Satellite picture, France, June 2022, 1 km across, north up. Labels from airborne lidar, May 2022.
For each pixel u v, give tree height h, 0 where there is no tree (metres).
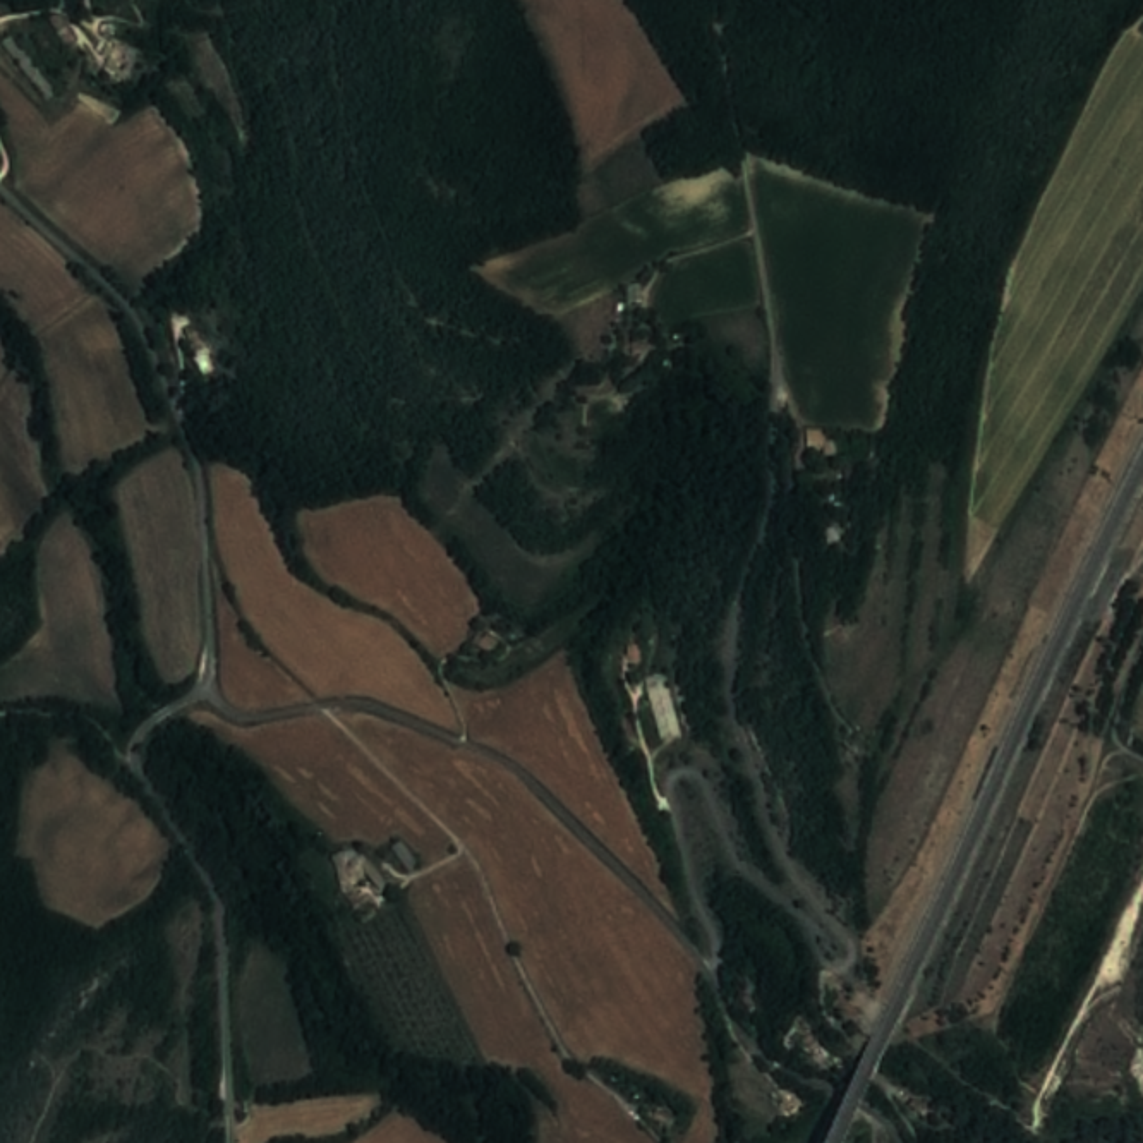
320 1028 17
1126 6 9
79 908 0
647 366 8
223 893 11
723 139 12
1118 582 0
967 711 0
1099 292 0
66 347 0
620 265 0
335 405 7
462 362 10
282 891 22
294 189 7
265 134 11
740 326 0
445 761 0
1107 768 0
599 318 0
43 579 0
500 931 0
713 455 16
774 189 0
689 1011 0
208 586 0
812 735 11
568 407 6
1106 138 0
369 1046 16
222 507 0
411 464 11
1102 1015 0
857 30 17
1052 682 0
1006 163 11
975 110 9
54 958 8
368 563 0
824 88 12
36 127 0
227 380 12
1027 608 0
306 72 6
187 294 8
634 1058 0
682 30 14
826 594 9
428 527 13
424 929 0
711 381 18
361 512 0
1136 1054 0
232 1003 7
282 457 18
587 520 10
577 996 0
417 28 10
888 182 18
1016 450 0
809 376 0
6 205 9
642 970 0
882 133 13
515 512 8
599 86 0
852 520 8
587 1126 0
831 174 13
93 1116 6
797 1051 7
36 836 0
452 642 0
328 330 10
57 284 0
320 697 0
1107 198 0
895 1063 10
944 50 15
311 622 0
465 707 0
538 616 7
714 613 11
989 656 0
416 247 10
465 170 13
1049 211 0
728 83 13
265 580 0
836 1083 16
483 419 13
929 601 0
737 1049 9
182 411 12
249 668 0
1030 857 0
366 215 8
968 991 0
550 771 0
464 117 10
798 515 17
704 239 0
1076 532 0
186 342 10
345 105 6
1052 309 0
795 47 17
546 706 0
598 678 8
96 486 8
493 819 0
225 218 11
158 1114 9
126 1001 6
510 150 9
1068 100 10
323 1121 0
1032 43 11
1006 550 0
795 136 7
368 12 12
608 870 0
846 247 0
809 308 0
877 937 0
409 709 0
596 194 0
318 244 5
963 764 0
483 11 9
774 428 12
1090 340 0
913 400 10
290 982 10
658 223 0
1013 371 0
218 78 0
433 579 0
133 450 9
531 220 11
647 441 15
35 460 0
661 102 0
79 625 0
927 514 7
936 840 0
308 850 7
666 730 0
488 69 10
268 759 0
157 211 0
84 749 13
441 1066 12
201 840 9
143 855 0
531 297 0
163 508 0
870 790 8
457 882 0
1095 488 0
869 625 0
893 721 6
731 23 14
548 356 17
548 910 0
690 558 6
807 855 8
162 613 0
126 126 0
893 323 0
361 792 0
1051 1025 8
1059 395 0
